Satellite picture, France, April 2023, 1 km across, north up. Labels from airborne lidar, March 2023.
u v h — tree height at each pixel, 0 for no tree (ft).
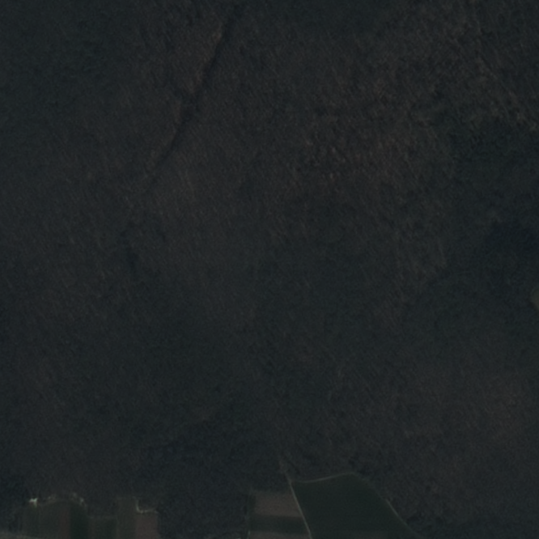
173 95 83
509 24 84
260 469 66
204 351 75
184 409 80
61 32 86
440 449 90
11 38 74
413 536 0
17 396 59
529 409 71
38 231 83
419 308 79
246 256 70
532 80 78
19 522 54
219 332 83
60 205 89
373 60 76
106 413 71
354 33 94
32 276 80
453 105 71
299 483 0
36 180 69
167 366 94
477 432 64
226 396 90
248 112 85
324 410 60
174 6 78
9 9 70
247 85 86
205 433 63
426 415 78
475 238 76
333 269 55
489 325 69
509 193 73
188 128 62
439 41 87
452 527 94
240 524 49
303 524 0
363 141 86
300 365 65
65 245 90
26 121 80
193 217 79
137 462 65
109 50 83
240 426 73
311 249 70
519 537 97
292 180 78
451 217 83
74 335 82
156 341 82
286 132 70
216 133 84
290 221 66
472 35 83
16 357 81
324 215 76
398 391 76
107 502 55
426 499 82
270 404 76
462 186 88
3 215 88
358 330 50
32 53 79
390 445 85
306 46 90
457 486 85
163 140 80
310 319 72
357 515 0
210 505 49
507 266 62
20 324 75
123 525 0
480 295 81
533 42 93
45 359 82
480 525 83
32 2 76
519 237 79
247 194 75
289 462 64
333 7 99
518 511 54
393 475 88
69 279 70
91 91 81
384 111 80
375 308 66
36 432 72
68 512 0
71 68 71
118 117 73
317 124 83
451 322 77
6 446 52
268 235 80
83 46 62
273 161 79
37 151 69
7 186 81
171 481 71
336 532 0
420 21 74
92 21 77
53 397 73
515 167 78
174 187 81
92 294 90
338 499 0
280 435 72
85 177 90
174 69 88
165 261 85
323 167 82
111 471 75
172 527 65
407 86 88
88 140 79
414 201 73
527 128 64
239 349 78
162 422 94
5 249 84
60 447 73
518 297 44
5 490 55
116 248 55
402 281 69
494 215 81
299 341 74
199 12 91
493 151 76
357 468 56
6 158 78
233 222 84
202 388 79
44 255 84
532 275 52
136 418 71
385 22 70
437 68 86
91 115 69
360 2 77
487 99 78
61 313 75
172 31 80
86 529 0
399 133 85
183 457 78
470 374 73
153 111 83
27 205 75
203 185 73
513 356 73
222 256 69
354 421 77
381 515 0
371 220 86
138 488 68
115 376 89
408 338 82
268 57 85
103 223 77
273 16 72
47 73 76
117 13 82
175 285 84
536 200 94
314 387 53
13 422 58
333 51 92
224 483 73
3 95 85
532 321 68
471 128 83
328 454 80
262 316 63
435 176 79
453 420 63
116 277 89
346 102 60
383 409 80
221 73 84
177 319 91
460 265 68
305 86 87
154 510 0
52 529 0
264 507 0
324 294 62
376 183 77
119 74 80
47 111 78
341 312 64
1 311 37
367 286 68
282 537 0
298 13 93
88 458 73
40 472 59
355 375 75
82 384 80
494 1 76
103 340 86
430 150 83
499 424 70
